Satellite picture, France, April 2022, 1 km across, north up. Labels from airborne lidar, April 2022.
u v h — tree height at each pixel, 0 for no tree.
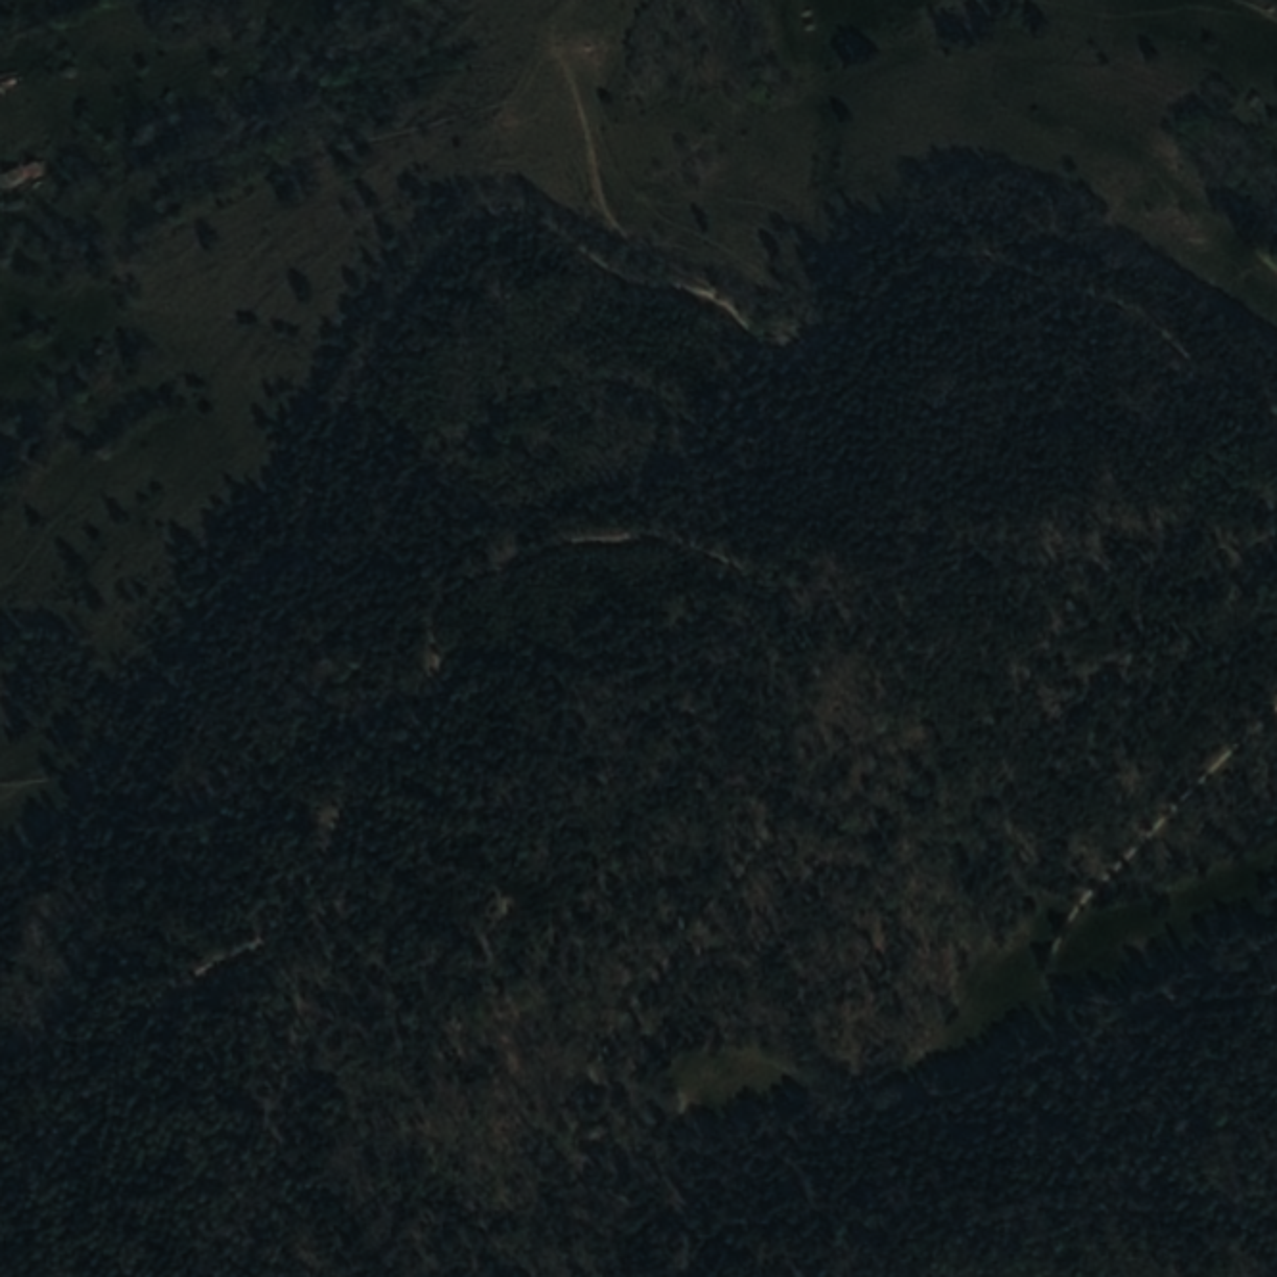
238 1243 30
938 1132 34
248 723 25
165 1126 32
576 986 31
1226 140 27
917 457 24
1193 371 31
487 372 12
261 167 22
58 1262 32
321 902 27
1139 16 0
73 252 24
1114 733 36
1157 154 0
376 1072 33
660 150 0
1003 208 22
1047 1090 26
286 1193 25
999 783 24
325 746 12
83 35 0
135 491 0
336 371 13
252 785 23
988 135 0
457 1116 31
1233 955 25
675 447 16
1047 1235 26
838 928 31
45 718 24
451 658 9
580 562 10
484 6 0
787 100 14
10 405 0
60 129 0
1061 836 25
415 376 15
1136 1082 38
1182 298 24
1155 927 0
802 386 36
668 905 24
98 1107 26
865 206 0
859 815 28
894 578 23
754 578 14
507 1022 34
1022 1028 0
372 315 15
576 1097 18
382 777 28
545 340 12
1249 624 14
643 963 29
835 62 0
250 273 0
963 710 23
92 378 18
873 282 26
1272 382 29
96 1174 31
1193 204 0
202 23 33
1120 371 26
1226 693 8
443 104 0
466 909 13
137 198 0
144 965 10
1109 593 34
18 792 0
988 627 27
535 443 17
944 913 35
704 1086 0
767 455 30
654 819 26
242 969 11
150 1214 29
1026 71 0
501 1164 27
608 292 11
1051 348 26
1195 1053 31
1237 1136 32
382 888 22
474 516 8
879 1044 33
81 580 7
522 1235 19
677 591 7
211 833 29
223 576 17
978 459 22
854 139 0
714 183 0
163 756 11
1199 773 18
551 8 0
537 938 7
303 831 27
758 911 29
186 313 0
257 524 18
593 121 0
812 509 26
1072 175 14
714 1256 21
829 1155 37
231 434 0
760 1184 32
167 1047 25
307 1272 28
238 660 26
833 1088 39
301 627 29
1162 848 42
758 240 0
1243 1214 36
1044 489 28
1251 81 0
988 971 0
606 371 13
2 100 0
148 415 20
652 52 19
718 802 22
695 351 12
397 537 24
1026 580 28
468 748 21
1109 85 0
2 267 22
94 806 26
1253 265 0
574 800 21
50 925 8
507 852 11
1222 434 30
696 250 0
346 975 10
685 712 26
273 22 0
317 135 22
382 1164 28
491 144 0
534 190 16
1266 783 13
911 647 21
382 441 8
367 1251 30
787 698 21
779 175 0
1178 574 35
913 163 0
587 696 23
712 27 27
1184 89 0
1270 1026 24
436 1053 33
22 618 0
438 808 22
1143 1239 28
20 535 0
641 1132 19
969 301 23
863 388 24
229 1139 33
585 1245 23
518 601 12
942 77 0
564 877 11
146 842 31
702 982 34
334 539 25
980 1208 34
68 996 14
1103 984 0
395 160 0
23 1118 30
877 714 27
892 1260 29
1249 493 36
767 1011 29
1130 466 26
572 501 6
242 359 0
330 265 0
